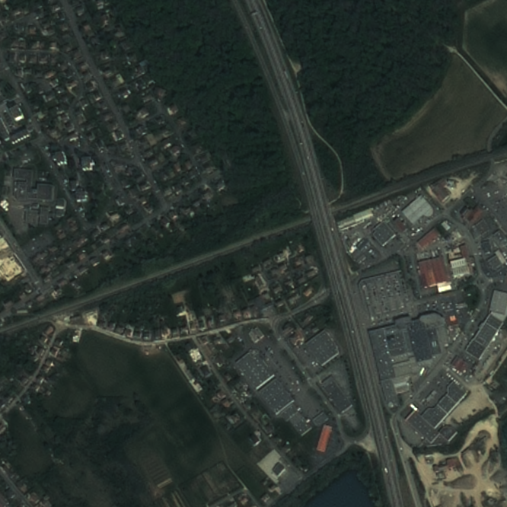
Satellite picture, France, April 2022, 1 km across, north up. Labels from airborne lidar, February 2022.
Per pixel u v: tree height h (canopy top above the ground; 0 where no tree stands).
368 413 0
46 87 0
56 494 0
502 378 0
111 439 7
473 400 0
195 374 8
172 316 0
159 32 30
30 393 7
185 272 7
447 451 8
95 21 14
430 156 0
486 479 0
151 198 8
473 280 6
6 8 6
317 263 0
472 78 0
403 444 0
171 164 8
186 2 27
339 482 0
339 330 0
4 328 0
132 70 6
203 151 0
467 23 0
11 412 0
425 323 0
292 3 29
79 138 0
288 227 0
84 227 0
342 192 0
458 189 0
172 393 0
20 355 6
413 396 0
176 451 0
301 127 0
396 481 0
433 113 0
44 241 0
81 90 0
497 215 0
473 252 0
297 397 0
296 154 0
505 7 0
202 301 0
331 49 21
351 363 0
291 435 0
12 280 0
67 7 0
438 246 0
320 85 29
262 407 0
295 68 0
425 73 25
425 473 0
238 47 26
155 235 0
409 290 0
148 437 0
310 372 0
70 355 0
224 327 0
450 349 0
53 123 8
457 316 0
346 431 0
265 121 30
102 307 10
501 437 7
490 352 0
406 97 28
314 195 0
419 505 0
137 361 0
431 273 0
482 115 0
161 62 25
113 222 0
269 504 0
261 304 0
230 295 0
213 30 28
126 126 0
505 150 0
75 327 0
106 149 0
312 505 0
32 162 0
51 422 6
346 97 30
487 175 0
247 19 0
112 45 12
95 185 0
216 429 0
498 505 0
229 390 0
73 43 0
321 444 0
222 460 0
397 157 0
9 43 0
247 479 0
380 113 28
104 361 0
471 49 0
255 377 0
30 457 0
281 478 0
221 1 31
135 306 7
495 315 0
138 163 0
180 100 22
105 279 6
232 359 0
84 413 0
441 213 0
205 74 28
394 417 0
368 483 6
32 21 0
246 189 21
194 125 21
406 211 0
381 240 0
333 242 0
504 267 0
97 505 0
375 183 8
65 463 0
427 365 0
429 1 24
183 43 26
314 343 0
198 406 0
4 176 0
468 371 0
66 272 0
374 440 0
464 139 0
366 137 27
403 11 28
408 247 0
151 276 0
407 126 0
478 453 0
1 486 0
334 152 0
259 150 13
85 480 0
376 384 0
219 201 0
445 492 0
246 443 0
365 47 25
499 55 0
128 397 0
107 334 0
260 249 14
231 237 14
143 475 0
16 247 0
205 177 0
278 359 0
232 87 30
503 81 0
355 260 0
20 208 0
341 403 0
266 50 0
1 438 11
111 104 0
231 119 23
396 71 28
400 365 0
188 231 16
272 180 23
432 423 0
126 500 0
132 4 25
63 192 0
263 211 18
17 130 0
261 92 24
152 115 0
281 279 0
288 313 0
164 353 0
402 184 0
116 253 13
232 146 24
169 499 0
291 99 0
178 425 0
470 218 0
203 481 0
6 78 0
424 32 28
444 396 0
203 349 0
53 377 11
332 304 0
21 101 0
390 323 0
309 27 29
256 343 0
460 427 0
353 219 0
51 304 6
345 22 28
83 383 0
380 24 26
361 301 0
